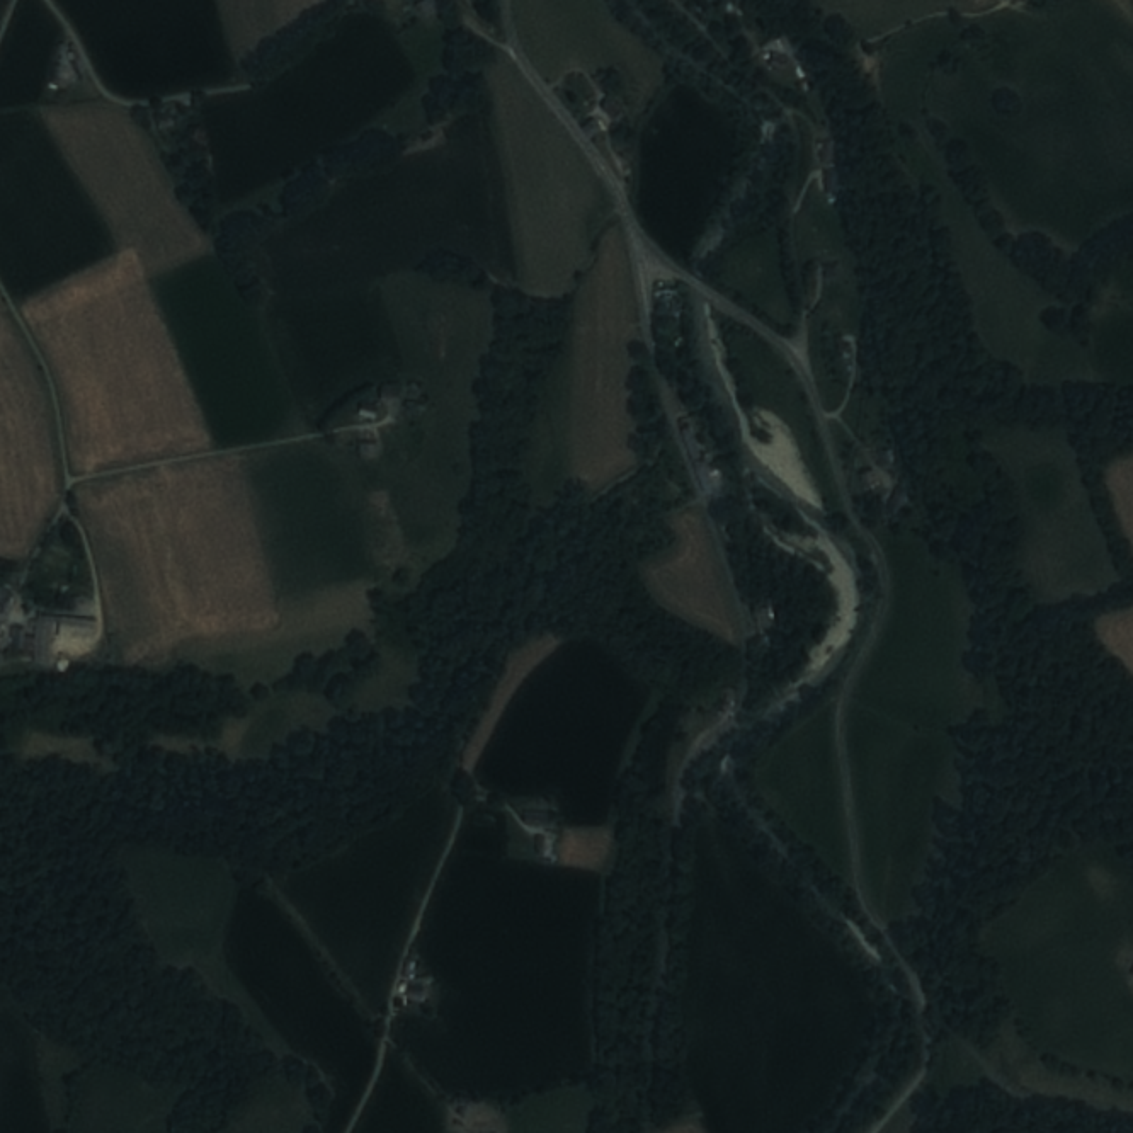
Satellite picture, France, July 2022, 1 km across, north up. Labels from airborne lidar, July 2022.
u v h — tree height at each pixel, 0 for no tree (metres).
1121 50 0
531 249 0
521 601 29
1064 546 0
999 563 24
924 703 0
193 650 0
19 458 0
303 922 0
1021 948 0
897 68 0
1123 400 24
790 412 0
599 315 0
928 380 32
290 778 23
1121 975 0
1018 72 0
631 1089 31
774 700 0
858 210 23
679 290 7
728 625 0
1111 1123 24
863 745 0
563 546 16
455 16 19
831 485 0
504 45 0
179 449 0
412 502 0
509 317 17
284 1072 14
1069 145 0
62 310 0
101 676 20
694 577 0
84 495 0
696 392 19
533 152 0
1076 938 0
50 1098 0
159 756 11
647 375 18
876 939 17
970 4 0
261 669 0
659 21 22
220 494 0
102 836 21
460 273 22
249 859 29
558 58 0
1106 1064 0
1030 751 40
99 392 0
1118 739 28
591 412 0
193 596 0
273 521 0
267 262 0
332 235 0
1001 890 25
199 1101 15
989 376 22
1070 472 0
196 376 0
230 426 0
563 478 0
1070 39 0
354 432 0
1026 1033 10
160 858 0
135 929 20
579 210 0
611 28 0
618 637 21
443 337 0
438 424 0
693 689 14
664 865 24
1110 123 0
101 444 0
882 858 0
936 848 0
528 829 0
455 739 21
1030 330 0
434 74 0
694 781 28
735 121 9
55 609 10
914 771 0
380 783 29
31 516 0
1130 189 0
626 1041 29
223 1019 26
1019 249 21
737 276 0
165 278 0
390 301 0
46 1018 27
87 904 26
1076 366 0
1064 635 30
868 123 21
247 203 0
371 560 0
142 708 26
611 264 0
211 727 22
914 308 13
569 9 0
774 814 14
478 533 21
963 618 0
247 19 0
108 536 0
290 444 0
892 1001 19
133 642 0
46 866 12
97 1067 7
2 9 0
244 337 0
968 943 20
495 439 30
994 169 0
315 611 0
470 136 0
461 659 15
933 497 17
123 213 0
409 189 0
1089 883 0
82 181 0
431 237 0
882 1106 18
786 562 17
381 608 14
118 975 25
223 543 0
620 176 0
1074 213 0
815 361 0
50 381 0
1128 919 0
